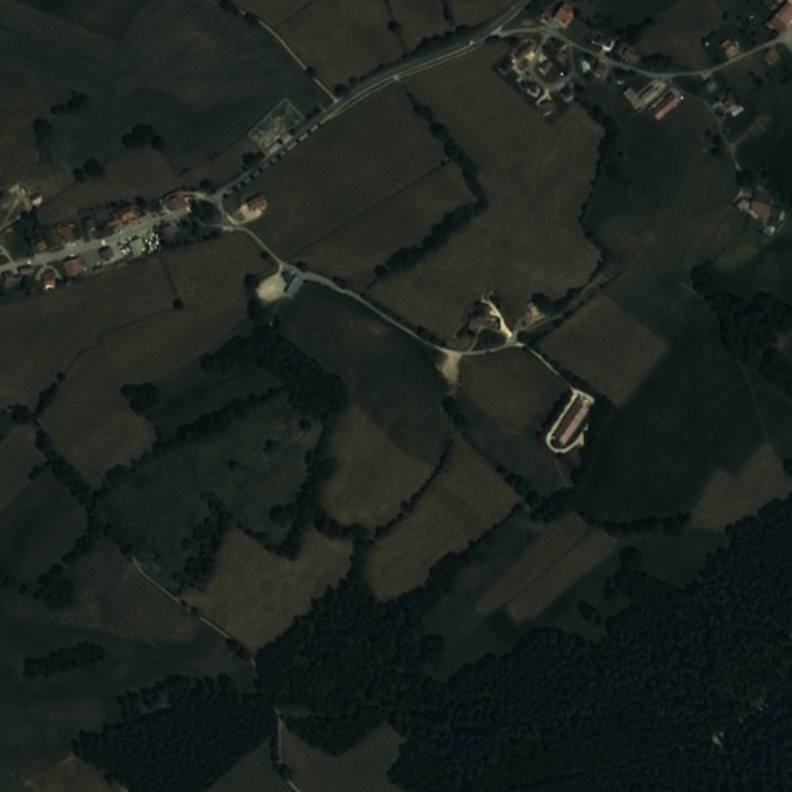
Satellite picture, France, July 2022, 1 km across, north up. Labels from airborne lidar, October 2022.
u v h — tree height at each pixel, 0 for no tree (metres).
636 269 0
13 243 0
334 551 0
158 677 0
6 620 0
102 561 0
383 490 0
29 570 0
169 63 0
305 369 28
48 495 0
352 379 0
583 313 0
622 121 0
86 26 0
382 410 0
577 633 0
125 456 0
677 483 0
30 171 0
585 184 0
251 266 0
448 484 0
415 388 0
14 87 0
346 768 0
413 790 14
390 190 0
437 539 0
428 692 20
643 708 19
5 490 0
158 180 0
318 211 0
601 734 21
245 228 0
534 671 18
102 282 0
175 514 0
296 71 0
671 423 0
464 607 0
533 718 17
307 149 0
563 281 0
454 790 12
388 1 9
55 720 0
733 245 0
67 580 8
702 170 0
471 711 18
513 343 0
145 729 15
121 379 0
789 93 0
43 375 0
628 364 0
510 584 0
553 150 0
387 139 0
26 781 0
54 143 0
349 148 0
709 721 34
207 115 0
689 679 32
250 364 17
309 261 0
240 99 0
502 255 0
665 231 0
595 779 20
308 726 10
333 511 0
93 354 0
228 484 0
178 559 0
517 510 11
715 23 0
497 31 0
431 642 20
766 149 0
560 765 7
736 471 0
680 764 29
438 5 0
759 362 25
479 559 0
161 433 8
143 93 0
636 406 0
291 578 0
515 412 0
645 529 19
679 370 0
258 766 0
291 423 0
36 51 0
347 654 9
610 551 0
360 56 0
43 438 20
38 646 0
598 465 0
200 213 20
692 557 0
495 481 0
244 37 0
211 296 0
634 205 0
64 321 0
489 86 0
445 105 0
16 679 0
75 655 14
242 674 0
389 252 0
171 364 0
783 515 22
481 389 0
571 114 0
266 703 17
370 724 7
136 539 0
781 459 0
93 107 0
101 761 16
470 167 17
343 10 0
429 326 0
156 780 19
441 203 0
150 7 0
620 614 0
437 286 0
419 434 0
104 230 8
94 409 0
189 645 0
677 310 0
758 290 0
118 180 0
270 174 0
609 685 27
